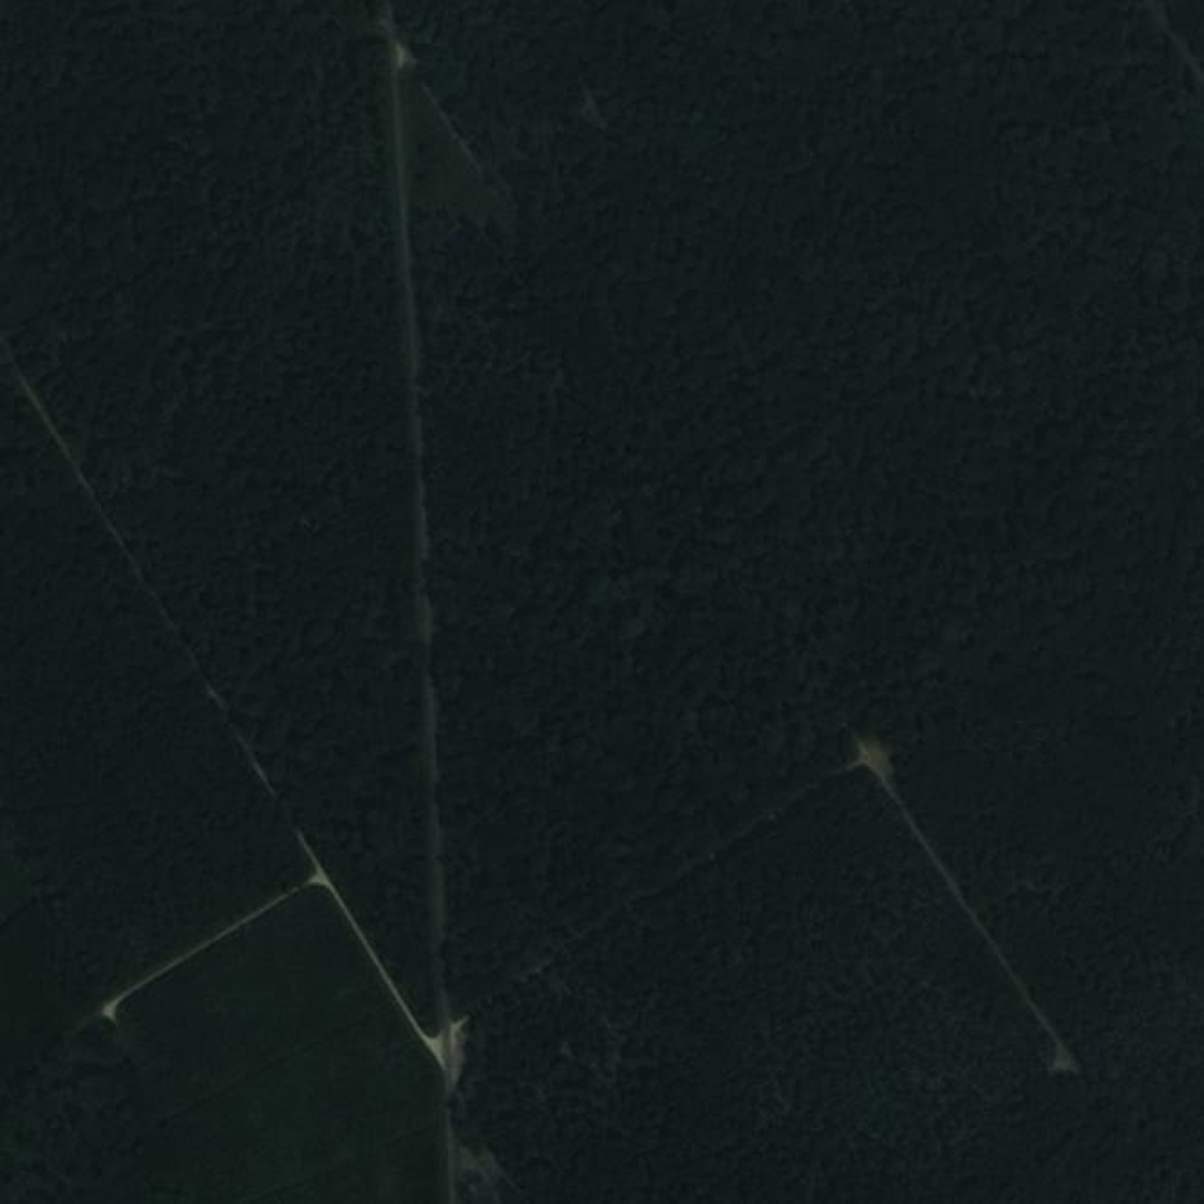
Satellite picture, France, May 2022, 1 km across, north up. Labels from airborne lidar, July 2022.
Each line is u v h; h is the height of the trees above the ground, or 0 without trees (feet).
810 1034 64
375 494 71
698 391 109
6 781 77
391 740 98
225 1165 20
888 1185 83
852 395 90
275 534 73
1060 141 91
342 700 102
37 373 65
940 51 89
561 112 93
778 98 88
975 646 106
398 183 0
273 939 20
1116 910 77
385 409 76
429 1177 18
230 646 93
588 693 91
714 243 95
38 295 79
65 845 84
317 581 78
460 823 79
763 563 96
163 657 79
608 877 98
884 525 60
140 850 86
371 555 78
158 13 73
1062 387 98
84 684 85
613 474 94
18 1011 33
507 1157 73
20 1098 103
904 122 92
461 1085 32
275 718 103
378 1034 18
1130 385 33
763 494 92
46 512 80
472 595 94
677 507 102
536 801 97
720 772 91
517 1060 66
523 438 73
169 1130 33
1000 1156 72
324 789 88
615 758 83
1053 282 109
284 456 86
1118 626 77
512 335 90
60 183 97
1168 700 91
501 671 85
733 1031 71
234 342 85
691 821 90
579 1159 78
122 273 80
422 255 84
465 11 53
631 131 84
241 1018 19
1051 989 67
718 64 98
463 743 98
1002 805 62
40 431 97
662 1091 69
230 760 87
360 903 30
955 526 95
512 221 0
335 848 27
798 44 102
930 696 98
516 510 91
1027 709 82
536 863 87
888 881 100
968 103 94
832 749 85
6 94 87
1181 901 89
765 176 76
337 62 81
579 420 77
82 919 84
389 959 25
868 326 104
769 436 108
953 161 94
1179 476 112
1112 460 111
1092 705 75
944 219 98
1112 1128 77
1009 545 28
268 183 75
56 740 74
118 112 85
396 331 61
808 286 105
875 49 108
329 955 19
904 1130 93
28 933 31
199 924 75
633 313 102
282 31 89
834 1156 78
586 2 83
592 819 101
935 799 66
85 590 72
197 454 91
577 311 84
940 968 79
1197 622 110
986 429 95
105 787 87
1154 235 83
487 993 61
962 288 98
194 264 94
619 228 84
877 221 76
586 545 96
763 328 100
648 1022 66
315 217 90
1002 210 100
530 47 81
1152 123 102
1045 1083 84
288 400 89
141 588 64
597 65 80
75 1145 81
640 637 93
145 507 87
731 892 62
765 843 71
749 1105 74
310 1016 21
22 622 81
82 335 78
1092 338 32
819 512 104
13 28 92
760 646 96
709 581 98
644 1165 67
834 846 80
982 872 64
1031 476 78
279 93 83
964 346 97
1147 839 89
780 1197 85
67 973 36
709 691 30
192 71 94
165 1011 21
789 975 85
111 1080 82
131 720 86
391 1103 17
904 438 75
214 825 83
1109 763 64
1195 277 20
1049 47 89
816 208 85
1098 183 97
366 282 95
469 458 70
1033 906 83
